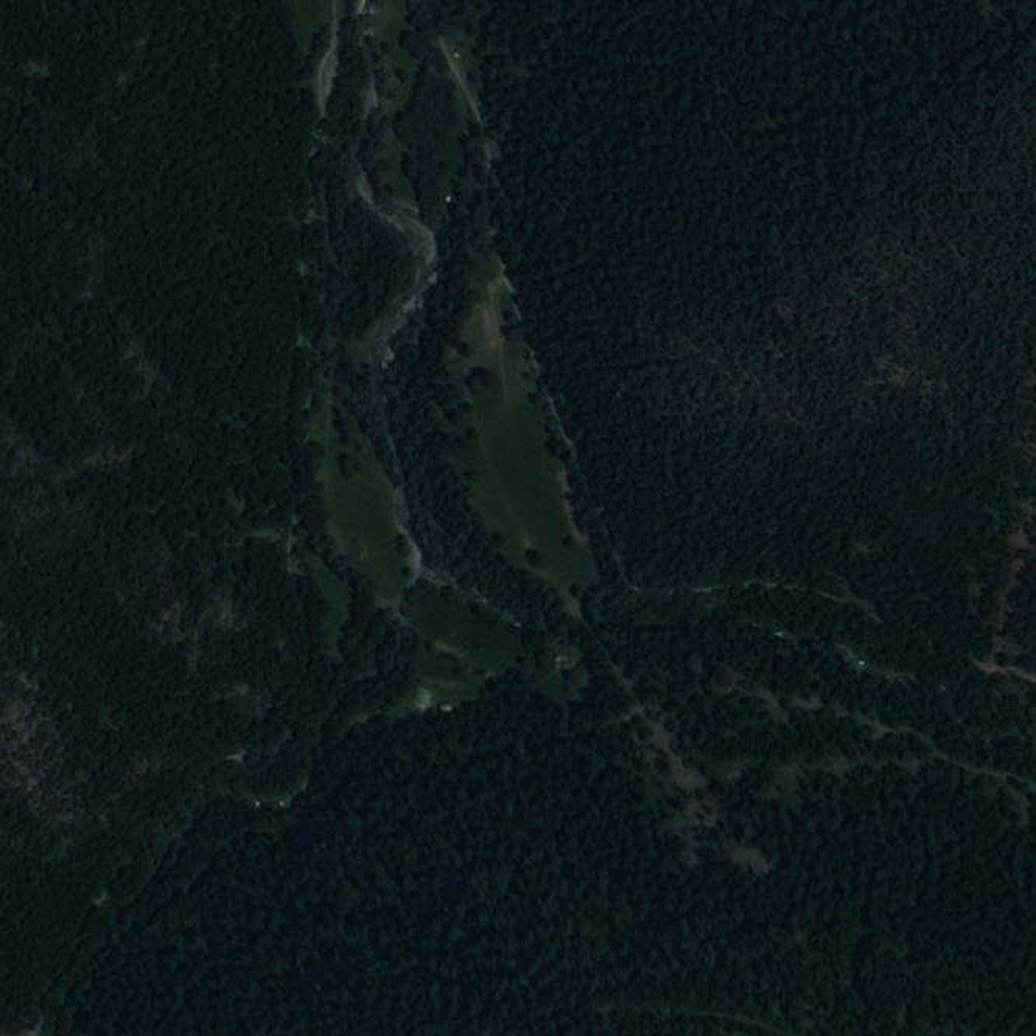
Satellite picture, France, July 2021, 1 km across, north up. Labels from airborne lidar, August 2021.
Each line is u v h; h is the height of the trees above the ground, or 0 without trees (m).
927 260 9
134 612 21
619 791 14
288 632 29
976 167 19
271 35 34
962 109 20
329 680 26
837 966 27
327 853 19
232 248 37
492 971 8
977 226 25
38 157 21
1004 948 15
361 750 32
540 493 0
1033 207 16
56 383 24
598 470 27
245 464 13
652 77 32
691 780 0
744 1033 28
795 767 0
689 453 26
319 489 12
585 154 33
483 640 0
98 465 10
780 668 20
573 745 12
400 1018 29
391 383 20
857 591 23
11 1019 8
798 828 16
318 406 18
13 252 22
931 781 26
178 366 23
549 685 0
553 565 0
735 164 25
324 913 30
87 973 36
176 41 35
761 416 19
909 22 33
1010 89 18
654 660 23
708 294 22
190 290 33
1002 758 25
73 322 28
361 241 27
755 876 17
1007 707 21
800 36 34
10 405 11
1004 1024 15
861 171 11
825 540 29
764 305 19
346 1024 11
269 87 28
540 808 19
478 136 27
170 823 16
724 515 19
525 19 26
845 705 15
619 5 25
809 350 22
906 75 24
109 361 24
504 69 31
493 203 24
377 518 0
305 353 27
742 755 17
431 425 24
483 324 0
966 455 12
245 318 23
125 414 27
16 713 6
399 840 21
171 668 15
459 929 34
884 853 38
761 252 23
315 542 27
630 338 25
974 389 12
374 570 0
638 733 9
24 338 11
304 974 20
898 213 24
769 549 28
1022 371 11
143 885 28
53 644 22
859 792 16
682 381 9
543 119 21
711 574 25
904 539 10
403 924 34
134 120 26
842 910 34
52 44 20
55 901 23
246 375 34
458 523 26
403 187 0
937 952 19
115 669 23
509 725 29
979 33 31
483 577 21
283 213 8
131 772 17
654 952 15
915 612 24
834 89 33
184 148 28
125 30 20
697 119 22
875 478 15
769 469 23
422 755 20
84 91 15
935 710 27
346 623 0
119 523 25
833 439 17
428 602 21
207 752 20
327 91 0
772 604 29
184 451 21
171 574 16
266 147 30
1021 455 10
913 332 9
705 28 36
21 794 18
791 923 36
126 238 24
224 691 23
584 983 21
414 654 13
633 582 20
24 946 23
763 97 35
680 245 27
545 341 23
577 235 15
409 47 20
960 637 27
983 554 13
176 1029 32
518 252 19
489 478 0
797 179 21
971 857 22
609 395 13
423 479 25
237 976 19
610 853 24
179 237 29
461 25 29
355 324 26
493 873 35
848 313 21
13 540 19
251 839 11
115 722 23
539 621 26
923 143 20
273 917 34
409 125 21
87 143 15
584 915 10
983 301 11
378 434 22
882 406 20
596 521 17
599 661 23
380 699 36
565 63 24
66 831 18
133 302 16
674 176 16
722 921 18
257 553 36
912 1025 18
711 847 30
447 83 19
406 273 24
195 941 25
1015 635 25
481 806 27
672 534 22
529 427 0
